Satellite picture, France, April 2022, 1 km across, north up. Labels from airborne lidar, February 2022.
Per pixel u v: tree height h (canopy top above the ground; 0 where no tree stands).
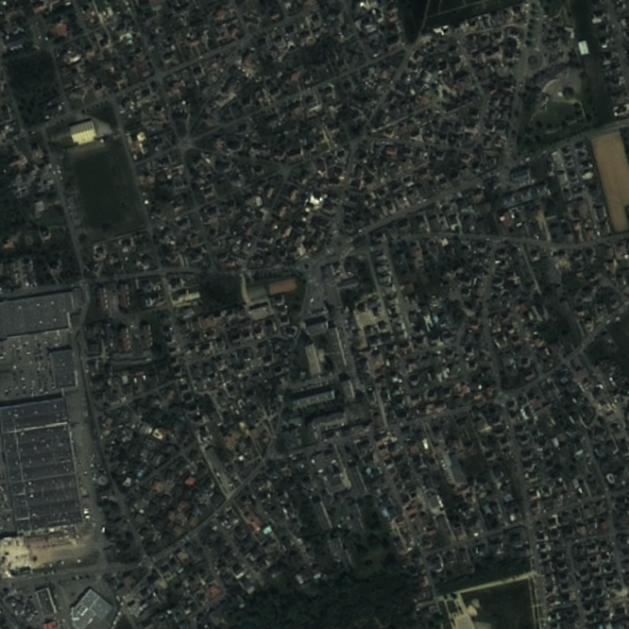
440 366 0
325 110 0
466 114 0
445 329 0
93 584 0
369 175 0
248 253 0
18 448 0
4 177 8
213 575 0
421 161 0
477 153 6
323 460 0
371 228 0
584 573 0
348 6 0
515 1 0
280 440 0
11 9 0
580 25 0
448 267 0
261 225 0
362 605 8
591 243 0
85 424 0
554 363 0
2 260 9
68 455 0
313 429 0
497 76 6
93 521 0
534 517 0
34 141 0
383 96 0
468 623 0
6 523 0
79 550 0
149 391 0
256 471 0
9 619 0
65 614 0
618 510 6
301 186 0
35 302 0
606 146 0
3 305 0
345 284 0
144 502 0
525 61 0
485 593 0
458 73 0
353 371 0
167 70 0
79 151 0
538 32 0
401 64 0
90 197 0
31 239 0
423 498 0
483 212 0
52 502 0
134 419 0
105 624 0
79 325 0
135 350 0
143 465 0
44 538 0
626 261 0
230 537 0
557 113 0
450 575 7
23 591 0
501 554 0
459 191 0
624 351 0
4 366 0
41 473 0
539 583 0
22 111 7
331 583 9
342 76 0
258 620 21
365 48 0
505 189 0
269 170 0
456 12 0
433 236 0
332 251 0
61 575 0
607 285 0
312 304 0
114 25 0
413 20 0
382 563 0
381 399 0
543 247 0
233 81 0
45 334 0
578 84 0
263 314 0
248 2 0
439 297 0
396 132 0
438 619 12
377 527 10
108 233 15
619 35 0
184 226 0
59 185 0
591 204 0
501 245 0
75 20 13
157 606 0
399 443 0
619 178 0
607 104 0
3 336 0
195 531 0
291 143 5
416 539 0
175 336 0
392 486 0
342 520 0
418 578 7
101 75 0
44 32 0
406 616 9
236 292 0
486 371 9
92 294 11
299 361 11
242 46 0
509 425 0
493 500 0
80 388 0
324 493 7
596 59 0
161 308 0
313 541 6
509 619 0
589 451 0
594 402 0
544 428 0
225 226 0
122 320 0
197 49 0
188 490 9
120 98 0
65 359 0
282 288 0
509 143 0
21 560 0
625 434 0
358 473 0
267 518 0
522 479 0
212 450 0
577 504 0
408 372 0
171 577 0
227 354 0
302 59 0
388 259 0
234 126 0
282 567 13
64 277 12
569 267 0
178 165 0
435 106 0
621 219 0
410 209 0
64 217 15
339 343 0
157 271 0
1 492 0
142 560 0
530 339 0
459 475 0
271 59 7
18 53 11
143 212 0
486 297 0
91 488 0
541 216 0
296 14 0
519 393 0
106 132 0
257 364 0
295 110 0
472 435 0
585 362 0
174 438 0
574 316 0
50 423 0
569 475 0
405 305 0
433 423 0
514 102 8
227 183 0
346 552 0
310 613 25
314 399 0
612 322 0
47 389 0
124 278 0
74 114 0
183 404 7
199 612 0
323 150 0
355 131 10
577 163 0
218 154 0
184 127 0
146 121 0
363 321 0
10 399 0
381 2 10
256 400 0
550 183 7
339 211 0
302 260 0
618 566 0
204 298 14
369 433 0
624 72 0
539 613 0
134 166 0
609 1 0
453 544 0
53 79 16
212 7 0
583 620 0
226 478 0
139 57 0
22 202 15
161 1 0
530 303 0
